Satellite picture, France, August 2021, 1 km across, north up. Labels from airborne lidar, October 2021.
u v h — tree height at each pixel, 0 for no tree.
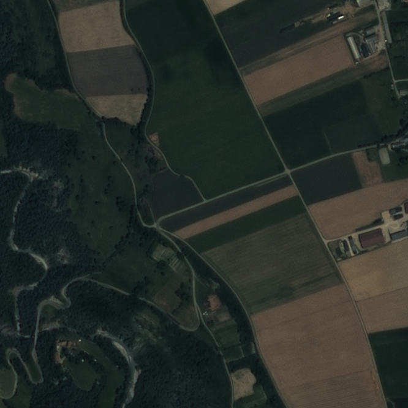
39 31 0
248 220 0
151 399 6
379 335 0
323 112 0
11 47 10
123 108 0
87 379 0
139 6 0
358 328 0
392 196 0
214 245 0
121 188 0
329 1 0
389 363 0
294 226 0
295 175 0
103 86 0
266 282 0
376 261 0
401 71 0
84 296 14
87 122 0
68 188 7
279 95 0
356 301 0
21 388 0
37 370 0
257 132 0
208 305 0
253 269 0
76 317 9
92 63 0
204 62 0
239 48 0
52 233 8
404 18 0
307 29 0
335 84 0
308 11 0
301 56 0
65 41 0
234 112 0
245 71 0
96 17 0
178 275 0
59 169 8
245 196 0
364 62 0
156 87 0
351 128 0
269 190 0
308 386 0
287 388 0
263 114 0
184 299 13
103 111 0
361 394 0
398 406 0
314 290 0
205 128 0
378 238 0
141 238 8
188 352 6
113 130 0
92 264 12
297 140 0
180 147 0
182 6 0
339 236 0
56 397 15
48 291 10
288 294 0
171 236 0
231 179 0
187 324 0
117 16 0
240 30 0
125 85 0
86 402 14
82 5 0
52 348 22
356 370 0
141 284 6
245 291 0
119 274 0
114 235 0
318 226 0
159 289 0
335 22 0
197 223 0
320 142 0
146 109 7
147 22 0
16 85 0
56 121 0
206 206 0
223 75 0
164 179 0
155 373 6
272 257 0
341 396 0
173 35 0
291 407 0
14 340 11
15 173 11
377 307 0
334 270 0
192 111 0
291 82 0
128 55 0
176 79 0
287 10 0
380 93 0
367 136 0
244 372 0
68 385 10
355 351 0
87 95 0
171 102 0
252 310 0
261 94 0
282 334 0
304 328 0
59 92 0
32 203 21
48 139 11
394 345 0
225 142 0
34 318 12
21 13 0
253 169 0
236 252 0
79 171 0
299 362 0
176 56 0
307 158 0
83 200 0
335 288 0
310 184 0
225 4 0
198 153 0
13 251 12
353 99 0
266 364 0
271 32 0
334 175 0
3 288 15
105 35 0
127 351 0
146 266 0
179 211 0
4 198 16
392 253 0
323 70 0
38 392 16
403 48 0
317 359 0
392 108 0
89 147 0
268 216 0
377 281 0
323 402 0
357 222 0
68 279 11
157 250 0
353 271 0
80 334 7
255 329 0
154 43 0
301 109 0
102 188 0
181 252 9
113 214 0
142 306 8
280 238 0
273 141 0
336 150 0
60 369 9
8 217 14
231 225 0
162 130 0
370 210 0
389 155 0
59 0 0
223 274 0
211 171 0
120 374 0
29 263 12
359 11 0
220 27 0
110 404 0
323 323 0
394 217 0
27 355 19
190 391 7
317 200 0
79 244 8
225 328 0
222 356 10
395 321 0
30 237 13
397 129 0
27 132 12
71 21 0
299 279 0
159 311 7
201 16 0
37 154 10
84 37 0
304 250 0
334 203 0
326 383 0
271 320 0
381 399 0
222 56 0
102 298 14
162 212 0
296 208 0
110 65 0
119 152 0
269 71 0
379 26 0
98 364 11
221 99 0
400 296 0
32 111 0
